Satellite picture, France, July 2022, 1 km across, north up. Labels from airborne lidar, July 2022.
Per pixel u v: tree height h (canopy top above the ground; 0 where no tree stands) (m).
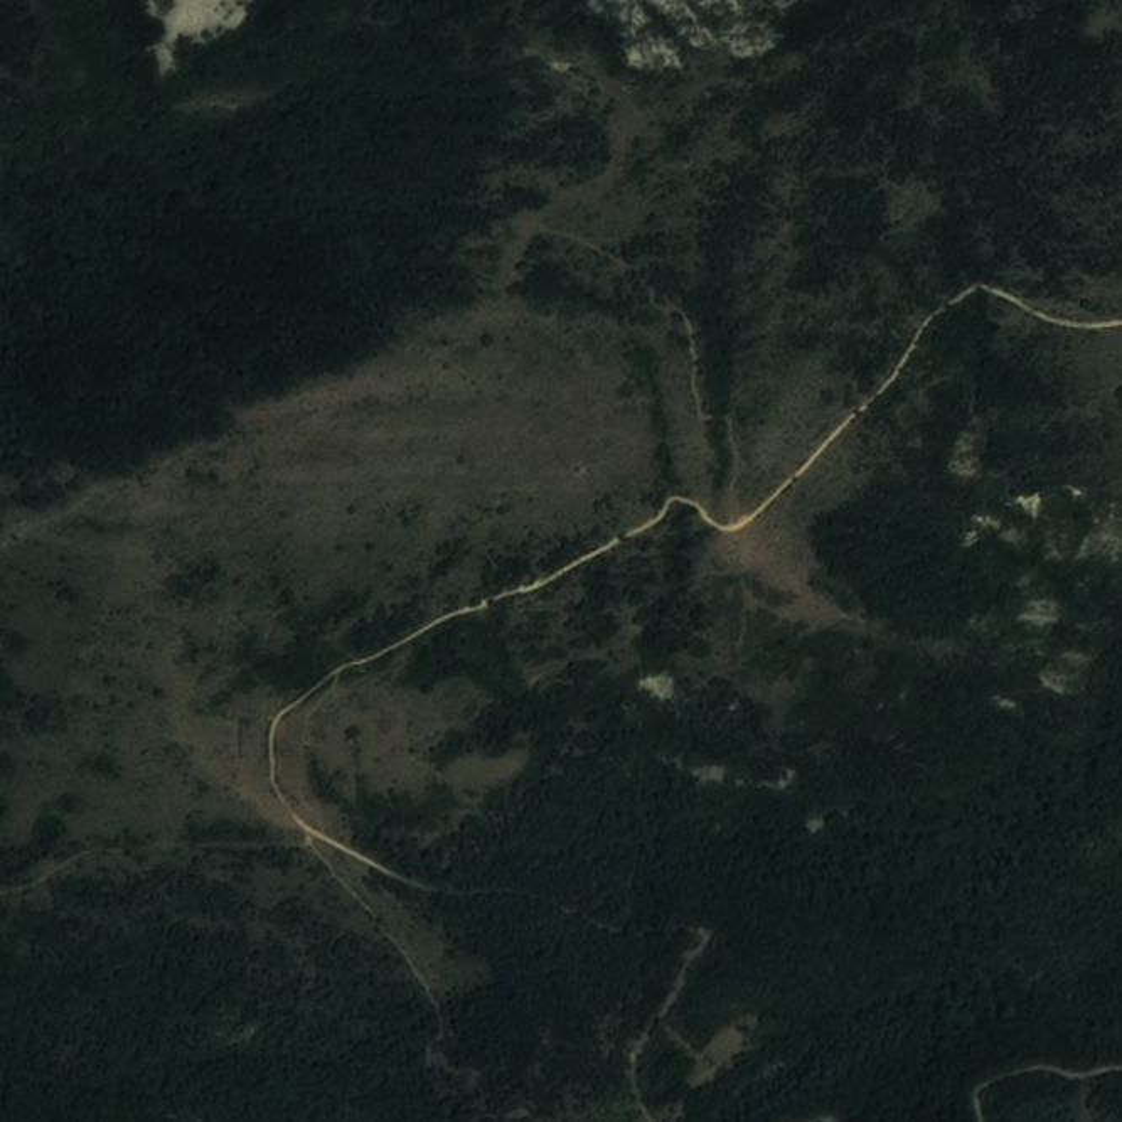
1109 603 7
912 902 10
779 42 6
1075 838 6
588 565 8
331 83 10
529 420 0
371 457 0
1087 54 6
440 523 0
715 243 10
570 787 10
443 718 0
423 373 0
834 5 6
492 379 0
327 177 8
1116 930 11
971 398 9
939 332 7
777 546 0
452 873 14
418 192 8
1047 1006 9
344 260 11
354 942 8
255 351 8
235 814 0
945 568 8
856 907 13
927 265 8
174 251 10
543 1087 9
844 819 9
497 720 7
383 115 6
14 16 6
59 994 6
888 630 0
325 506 0
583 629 9
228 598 0
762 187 8
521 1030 10
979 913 8
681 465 0
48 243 10
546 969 16
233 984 12
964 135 9
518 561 8
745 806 6
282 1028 6
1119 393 11
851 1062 19
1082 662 0
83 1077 7
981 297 6
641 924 13
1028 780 7
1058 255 8
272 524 0
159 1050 8
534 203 9
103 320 11
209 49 7
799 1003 8
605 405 0
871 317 8
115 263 9
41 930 6
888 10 7
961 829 10
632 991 13
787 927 9
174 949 8
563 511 0
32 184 8
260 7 5
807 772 10
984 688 9
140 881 7
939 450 6
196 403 6
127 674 0
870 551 8
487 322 0
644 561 8
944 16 7
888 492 7
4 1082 6
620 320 7
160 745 0
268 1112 10
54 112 5
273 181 7
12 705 8
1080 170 11
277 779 0
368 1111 9
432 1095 13
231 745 0
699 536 7
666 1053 7
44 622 0
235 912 6
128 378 9
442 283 6
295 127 6
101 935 8
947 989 9
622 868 19
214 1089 11
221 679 0
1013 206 6
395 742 0
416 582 7
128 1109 7
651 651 6
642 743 6
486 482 0
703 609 8
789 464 0
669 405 0
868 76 8
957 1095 8
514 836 9
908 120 12
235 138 7
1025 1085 11
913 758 8
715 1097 10
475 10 6
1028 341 6
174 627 0
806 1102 12
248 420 0
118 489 0
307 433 0
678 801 12
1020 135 8
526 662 0
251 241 13
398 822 7
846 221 6
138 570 0
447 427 0
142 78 8
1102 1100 7
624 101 0
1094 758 6
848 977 10
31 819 0
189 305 12
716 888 14
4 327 14
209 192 9
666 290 9
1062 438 6
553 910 15
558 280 12
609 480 0
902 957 8
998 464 7
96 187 9
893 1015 7
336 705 0
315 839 0
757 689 0
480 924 6
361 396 0
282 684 0
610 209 0
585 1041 9
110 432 9
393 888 9
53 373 17
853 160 8
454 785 0
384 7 12
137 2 11
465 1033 9
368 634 10
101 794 0
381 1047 10
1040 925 9
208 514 0
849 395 5
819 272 6
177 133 7
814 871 11
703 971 7
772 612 0
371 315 8
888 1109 17
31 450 8
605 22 6
